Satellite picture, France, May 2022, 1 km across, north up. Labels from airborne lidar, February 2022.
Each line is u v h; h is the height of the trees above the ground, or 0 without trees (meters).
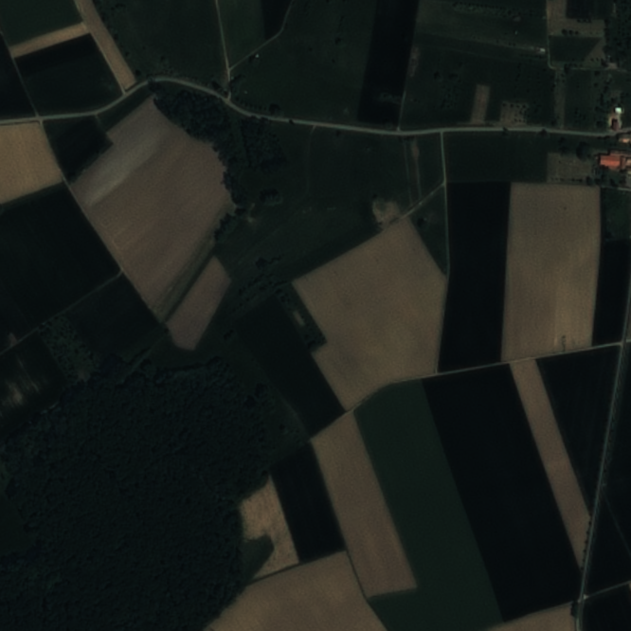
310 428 0
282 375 0
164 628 21
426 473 0
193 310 0
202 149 0
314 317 0
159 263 0
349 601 0
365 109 0
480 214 0
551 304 0
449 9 0
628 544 0
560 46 0
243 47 0
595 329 0
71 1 0
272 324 0
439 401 0
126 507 23
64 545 26
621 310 0
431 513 0
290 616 0
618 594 0
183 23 0
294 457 0
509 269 0
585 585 0
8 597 26
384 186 0
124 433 26
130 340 0
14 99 0
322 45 0
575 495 0
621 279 0
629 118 0
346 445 0
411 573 0
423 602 0
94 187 0
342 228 0
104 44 0
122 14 0
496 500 0
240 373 0
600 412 0
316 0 0
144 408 23
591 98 0
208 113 27
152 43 0
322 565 0
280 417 0
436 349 0
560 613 0
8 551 0
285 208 0
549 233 0
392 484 0
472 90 0
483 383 0
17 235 0
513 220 0
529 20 0
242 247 0
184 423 27
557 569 0
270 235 0
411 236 0
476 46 0
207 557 26
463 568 0
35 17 0
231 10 0
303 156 0
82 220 0
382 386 0
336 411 0
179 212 0
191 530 22
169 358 0
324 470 0
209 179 0
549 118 0
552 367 0
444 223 0
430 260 0
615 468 0
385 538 0
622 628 0
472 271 0
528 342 0
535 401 0
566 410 0
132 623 22
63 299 0
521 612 0
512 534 0
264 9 0
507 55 0
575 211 0
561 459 0
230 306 0
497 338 0
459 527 0
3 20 0
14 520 0
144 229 0
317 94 0
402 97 0
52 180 0
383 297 0
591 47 0
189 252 0
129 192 0
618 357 0
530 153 0
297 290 0
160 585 24
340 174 0
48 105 0
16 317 0
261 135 18
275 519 0
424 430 0
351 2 0
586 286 0
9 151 0
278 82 0
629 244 0
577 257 0
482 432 0
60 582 28
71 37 0
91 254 0
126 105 0
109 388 23
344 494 0
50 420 15
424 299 0
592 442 0
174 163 0
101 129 0
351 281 0
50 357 0
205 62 0
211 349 0
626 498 0
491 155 0
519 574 0
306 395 0
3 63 0
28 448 15
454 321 0
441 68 0
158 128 0
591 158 16
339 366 0
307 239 0
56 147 0
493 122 0
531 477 0
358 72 0
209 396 24
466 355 0
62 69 0
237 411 23
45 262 0
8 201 0
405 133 0
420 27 0
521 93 0
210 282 0
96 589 25
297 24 0
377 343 0
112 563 25
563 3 0
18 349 0
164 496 27
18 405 0
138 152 0
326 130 0
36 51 0
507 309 0
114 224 0
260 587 0
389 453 0
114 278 0
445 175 0
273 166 36
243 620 0
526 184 0
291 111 0
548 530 0
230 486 15
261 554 0
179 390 22
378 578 0
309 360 0
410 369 0
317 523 0
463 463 0
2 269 0
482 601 0
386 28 0
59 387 0
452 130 0
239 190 25
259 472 14
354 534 0
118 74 0
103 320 0
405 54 0
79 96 0
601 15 0
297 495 0
